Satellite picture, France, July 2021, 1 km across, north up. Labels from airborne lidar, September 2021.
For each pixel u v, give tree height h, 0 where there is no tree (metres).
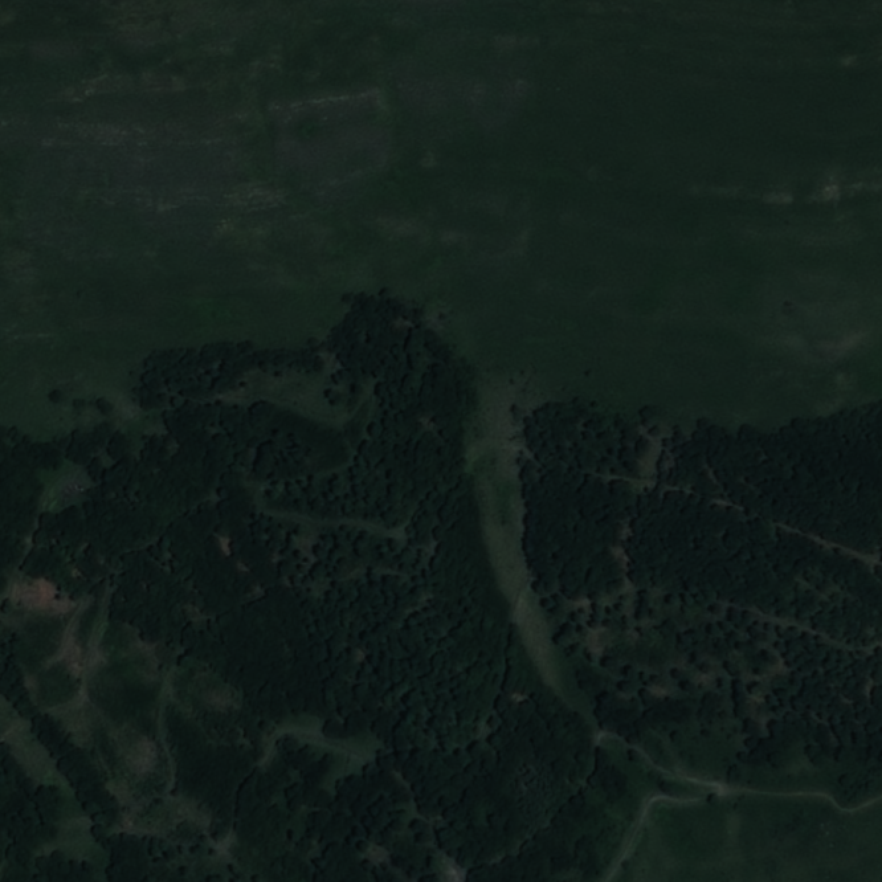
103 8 0
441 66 0
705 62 0
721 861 0
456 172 0
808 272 0
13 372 0
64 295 0
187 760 14
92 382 0
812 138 0
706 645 12
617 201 0
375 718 18
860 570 18
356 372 29
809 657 22
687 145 0
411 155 0
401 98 0
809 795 0
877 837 0
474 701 29
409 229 0
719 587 27
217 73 0
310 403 0
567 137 0
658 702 18
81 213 0
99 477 12
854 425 20
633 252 0
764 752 18
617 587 26
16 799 9
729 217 0
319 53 0
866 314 0
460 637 25
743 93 0
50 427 0
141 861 17
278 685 18
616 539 26
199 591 19
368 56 0
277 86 0
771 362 0
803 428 17
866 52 0
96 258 0
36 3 0
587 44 0
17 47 0
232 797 15
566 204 0
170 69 0
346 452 13
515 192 0
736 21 0
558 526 23
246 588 18
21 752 0
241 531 13
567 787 11
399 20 0
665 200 0
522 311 0
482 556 19
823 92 0
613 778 22
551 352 0
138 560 20
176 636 13
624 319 0
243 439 33
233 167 0
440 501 26
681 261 0
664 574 27
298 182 0
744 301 0
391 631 30
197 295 0
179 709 12
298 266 0
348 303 8
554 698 20
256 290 0
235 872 26
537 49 0
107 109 0
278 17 0
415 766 23
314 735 0
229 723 9
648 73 0
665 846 0
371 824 31
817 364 0
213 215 0
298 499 25
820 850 0
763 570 24
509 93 0
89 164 0
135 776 6
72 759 24
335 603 25
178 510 15
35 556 16
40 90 0
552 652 0
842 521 23
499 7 0
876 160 0
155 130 0
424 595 24
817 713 25
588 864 15
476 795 25
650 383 0
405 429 25
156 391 31
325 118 0
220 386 29
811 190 0
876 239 0
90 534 20
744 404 0
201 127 0
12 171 0
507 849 23
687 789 0
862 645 14
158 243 0
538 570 29
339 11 0
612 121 0
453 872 0
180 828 11
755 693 31
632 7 0
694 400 0
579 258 0
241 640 18
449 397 26
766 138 0
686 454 16
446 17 0
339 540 30
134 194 0
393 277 0
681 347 0
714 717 8
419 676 27
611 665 31
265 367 25
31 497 13
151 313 0
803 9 0
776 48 0
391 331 27
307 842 19
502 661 14
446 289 0
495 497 0
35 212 0
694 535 26
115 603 15
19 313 0
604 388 0
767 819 0
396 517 26
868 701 25
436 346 26
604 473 27
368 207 0
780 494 24
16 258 0
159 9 0
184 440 15
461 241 0
